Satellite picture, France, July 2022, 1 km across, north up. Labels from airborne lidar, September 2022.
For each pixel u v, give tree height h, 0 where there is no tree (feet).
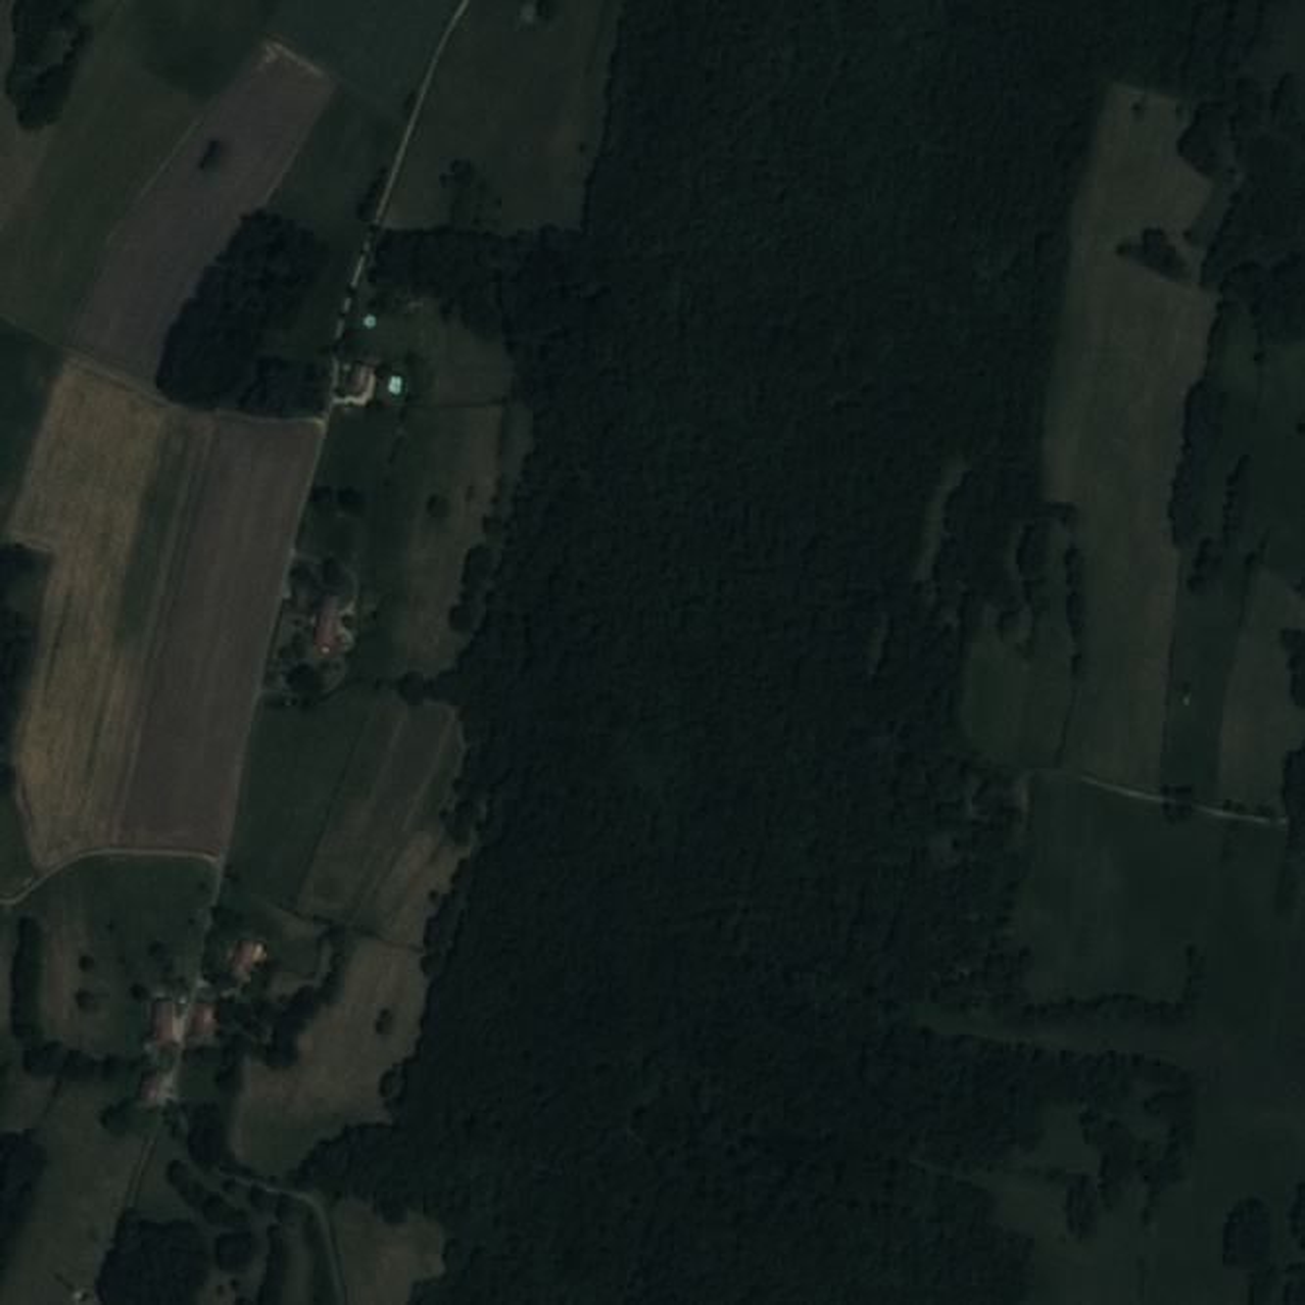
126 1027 0
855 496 67
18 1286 0
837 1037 43
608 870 45
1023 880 21
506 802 42
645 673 54
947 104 61
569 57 0
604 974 56
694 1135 35
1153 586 0
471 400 0
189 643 0
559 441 50
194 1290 73
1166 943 0
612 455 54
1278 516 0
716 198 46
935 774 55
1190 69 56
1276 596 0
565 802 67
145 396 0
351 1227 0
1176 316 0
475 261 63
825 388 41
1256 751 0
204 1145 84
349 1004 0
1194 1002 34
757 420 50
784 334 83
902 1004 40
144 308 0
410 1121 58
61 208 0
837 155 57
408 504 0
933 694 48
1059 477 0
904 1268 38
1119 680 0
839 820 59
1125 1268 0
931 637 41
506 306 83
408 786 0
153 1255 86
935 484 53
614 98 57
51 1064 64
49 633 0
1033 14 63
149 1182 0
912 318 46
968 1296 54
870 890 46
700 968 67
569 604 68
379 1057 0
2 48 0
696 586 55
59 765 0
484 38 0
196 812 0
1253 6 28
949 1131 30
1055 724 0
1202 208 0
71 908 0
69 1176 0
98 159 0
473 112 0
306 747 0
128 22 0
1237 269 49
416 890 0
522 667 55
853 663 73
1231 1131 0
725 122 52
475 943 62
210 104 0
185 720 0
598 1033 79
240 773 0
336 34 0
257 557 0
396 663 0
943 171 52
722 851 52
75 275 0
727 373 60
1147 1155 31
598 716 66
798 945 52
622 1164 71
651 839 21
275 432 0
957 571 60
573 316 62
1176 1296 0
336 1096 0
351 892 0
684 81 69
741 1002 61
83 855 0
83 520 0
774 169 42
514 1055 73
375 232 32
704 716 36
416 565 0
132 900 0
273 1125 0
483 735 56
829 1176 65
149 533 0
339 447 0
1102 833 0
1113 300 0
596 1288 23
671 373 51
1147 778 0
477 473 0
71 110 0
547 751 54
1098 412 0
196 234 0
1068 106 55
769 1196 32
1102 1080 55
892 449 55
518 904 67
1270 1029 0
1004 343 47
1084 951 0
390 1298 0
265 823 0
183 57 0
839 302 59
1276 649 0
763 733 35
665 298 70
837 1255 72
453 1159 47
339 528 0
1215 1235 0
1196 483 64
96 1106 0
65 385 0
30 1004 55
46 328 0
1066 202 25
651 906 63
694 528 58
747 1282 49
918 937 53
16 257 0
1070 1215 33
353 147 0
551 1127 92
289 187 0
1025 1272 61
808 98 49
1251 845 0
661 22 59
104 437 0
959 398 53
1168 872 0
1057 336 33
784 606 58
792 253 47
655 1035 71
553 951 70
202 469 0
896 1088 38
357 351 25
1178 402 0
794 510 69
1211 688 0
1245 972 0
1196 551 0
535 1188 57
